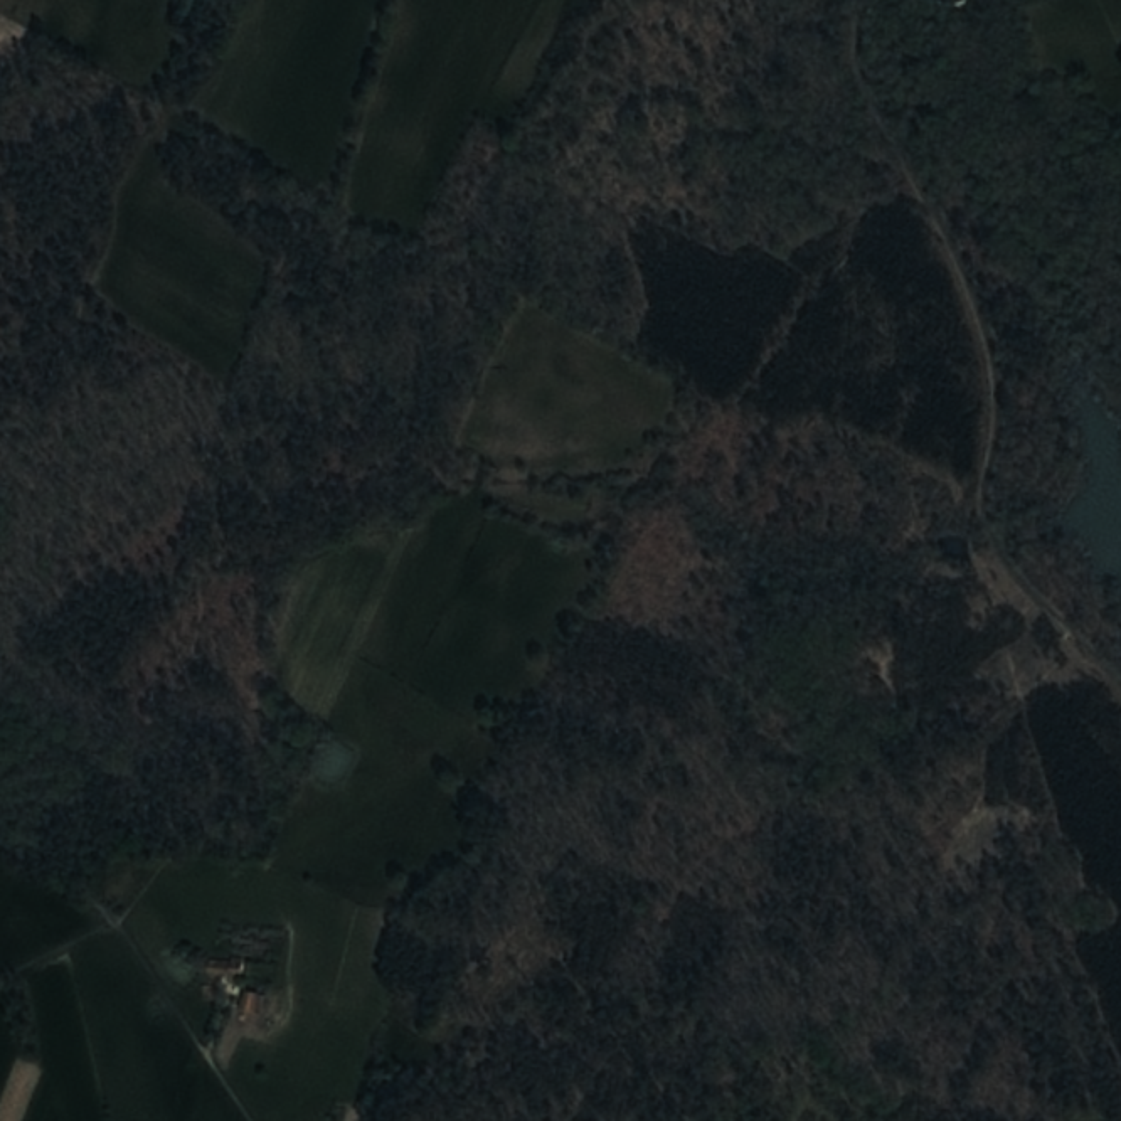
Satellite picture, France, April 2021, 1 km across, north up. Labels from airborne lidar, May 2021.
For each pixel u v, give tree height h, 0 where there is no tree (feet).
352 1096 0
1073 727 32
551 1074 83
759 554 62
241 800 41
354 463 95
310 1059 0
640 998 53
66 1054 0
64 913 0
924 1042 32
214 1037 24
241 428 90
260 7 0
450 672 0
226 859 47
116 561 44
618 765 81
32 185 68
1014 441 28
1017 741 31
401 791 0
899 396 35
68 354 41
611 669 34
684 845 45
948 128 68
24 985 63
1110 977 36
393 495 79
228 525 54
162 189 0
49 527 42
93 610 72
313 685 0
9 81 85
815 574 54
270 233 58
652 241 23
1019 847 75
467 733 0
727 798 47
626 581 0
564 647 44
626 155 63
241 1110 0
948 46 66
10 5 0
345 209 49
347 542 82
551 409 0
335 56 0
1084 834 37
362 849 0
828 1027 33
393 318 62
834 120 53
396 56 0
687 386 32
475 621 0
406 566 0
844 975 39
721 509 62
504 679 0
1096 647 33
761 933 37
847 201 58
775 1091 89
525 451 0
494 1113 73
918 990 50
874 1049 38
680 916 40
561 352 0
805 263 31
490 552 0
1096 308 48
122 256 0
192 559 55
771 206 70
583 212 60
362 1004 0
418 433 94
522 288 59
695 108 82
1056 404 44
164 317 0
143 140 69
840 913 49
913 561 36
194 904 0
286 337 51
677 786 61
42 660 58
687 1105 72
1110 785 27
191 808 90
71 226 43
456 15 0
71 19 0
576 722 74
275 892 0
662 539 0
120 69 0
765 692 51
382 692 0
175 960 18
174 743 63
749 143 57
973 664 19
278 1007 0
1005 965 58
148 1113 0
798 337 32
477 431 0
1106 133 53
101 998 0
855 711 49
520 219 59
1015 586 0
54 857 80
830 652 66
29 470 55
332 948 0
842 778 71
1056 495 21
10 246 64
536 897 33
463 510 0
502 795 27
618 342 50
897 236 35
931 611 31
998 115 75
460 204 33
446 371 78
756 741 39
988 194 78
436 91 0
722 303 37
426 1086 71
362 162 0
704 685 48
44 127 23
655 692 37
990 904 31
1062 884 43
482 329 38
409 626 0
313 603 0
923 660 50
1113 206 51
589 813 50
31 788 49
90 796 55
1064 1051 65
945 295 29
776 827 30
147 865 48
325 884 0
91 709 58
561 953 0
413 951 58
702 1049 36
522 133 44
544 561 0
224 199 66
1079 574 50
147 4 0
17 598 64
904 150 61
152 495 55
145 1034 0
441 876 61
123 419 37
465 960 69
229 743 95
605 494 19
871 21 77
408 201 0
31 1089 0
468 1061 73
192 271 0
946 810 44
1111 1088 81
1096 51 0
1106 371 60
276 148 0
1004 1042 45
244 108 0
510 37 0
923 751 84
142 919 0
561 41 21
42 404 51
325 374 63
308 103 0
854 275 28
